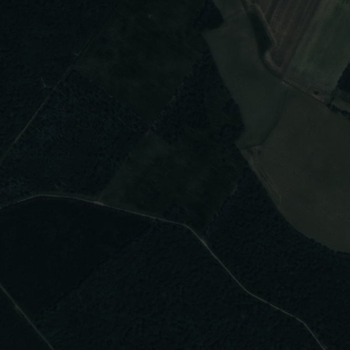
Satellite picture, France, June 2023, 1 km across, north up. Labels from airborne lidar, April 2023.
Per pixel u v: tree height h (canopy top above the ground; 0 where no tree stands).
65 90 13
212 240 18
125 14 0
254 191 20
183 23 0
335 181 0
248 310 21
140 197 0
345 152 0
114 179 0
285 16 0
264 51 0
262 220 19
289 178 0
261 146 0
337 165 0
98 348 25
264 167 0
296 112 0
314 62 0
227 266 11
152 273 20
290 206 0
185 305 22
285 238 17
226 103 0
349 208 0
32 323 0
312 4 0
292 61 0
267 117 0
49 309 15
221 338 22
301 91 0
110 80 0
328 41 0
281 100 0
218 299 23
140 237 19
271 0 0
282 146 0
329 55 0
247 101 0
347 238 0
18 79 18
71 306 18
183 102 18
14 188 18
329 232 0
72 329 22
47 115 23
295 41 0
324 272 18
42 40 17
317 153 0
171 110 19
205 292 20
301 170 0
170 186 0
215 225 19
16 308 0
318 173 0
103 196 0
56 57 18
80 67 0
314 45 0
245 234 20
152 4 0
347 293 20
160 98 0
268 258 21
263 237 17
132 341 24
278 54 0
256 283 24
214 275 19
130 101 0
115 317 20
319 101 0
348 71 17
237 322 18
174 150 0
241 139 0
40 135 20
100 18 14
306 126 0
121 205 0
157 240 19
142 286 18
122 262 21
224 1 0
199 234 0
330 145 0
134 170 0
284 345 23
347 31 0
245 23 0
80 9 20
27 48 16
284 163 0
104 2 20
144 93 0
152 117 0
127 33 0
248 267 21
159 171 0
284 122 0
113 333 20
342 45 0
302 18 0
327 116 0
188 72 0
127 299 21
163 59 0
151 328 22
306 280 22
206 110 17
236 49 0
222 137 20
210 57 18
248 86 0
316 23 0
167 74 0
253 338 23
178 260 20
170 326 23
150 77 0
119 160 21
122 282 19
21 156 19
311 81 0
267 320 19
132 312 18
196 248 18
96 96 17
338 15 0
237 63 0
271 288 16
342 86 17
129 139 17
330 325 19
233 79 0
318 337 0
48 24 18
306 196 0
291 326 19
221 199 0
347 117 15
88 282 20
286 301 18
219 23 11
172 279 22
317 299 22
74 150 9
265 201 18
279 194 0
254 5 0
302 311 22
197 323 21
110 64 0
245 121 0
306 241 17
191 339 22
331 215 0
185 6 0
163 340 21
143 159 0
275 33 0
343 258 19
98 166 18
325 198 0
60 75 11
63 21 19
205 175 0
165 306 22
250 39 0
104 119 26
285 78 0
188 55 0
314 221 0
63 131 16
